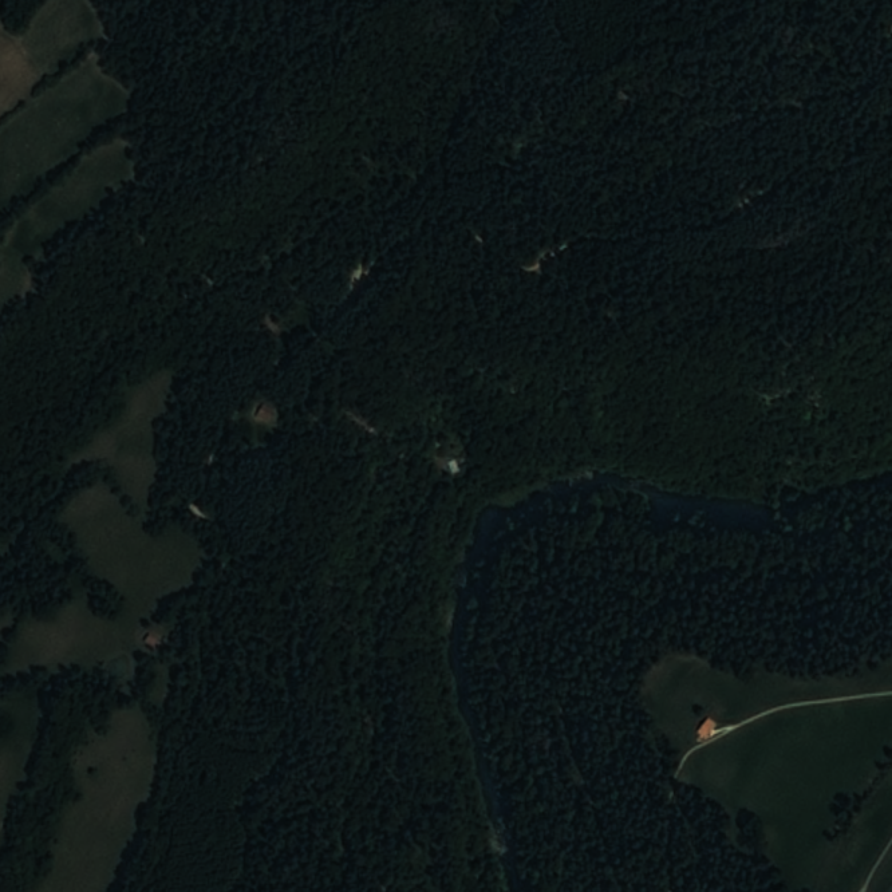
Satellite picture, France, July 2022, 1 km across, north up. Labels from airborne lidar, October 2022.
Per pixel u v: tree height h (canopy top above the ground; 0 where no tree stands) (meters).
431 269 24
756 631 35
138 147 7
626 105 9
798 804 0
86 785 0
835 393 28
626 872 34
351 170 27
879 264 28
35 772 24
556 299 30
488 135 30
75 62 10
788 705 0
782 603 31
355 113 20
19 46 0
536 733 33
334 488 28
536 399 33
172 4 22
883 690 0
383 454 36
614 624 32
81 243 29
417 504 35
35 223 0
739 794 0
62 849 0
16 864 30
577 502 34
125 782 0
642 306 33
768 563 34
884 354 28
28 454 26
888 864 0
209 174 25
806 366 9
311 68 23
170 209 22
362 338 31
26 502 18
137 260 26
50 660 0
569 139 13
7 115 8
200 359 20
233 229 33
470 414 31
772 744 0
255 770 22
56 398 25
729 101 24
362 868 16
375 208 19
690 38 27
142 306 29
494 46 25
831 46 16
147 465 0
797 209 0
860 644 34
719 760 0
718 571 11
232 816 17
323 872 23
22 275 0
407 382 23
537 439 23
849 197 23
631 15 11
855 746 0
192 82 27
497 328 17
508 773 34
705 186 26
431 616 35
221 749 20
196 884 16
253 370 32
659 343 26
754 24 12
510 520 24
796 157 36
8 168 0
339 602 30
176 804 24
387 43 27
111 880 0
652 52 26
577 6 12
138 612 0
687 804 14
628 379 30
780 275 24
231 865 15
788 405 27
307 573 26
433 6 25
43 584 24
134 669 0
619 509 28
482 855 19
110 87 0
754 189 34
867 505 13
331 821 21
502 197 26
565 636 33
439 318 38
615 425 30
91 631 0
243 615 21
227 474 27
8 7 18
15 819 16
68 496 23
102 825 0
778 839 0
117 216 26
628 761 17
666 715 0
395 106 27
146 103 20
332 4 34
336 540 28
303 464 31
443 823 23
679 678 0
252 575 25
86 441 8
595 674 30
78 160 13
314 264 29
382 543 28
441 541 22
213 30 29
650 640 14
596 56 10
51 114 0
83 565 30
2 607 32
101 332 27
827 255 16
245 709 25
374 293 28
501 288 23
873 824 0
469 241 33
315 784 34
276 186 24
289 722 23
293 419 24
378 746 26
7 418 26
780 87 30
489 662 41
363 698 24
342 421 33
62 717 26
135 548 0
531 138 22
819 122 33
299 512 25
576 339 29
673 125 22
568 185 20
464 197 32
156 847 23
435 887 12
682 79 24
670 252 28
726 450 24
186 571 0
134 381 9
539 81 27
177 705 27
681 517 8
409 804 22
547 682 31
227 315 30
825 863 0
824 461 35
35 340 24
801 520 35
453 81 27
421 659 32
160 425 14
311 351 32
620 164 19
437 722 36
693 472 17
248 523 31
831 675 32
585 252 18
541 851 37
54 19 0
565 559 34
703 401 29
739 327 27
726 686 0
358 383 35
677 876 23
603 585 34
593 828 9
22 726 0
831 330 30
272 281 25
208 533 23
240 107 22
